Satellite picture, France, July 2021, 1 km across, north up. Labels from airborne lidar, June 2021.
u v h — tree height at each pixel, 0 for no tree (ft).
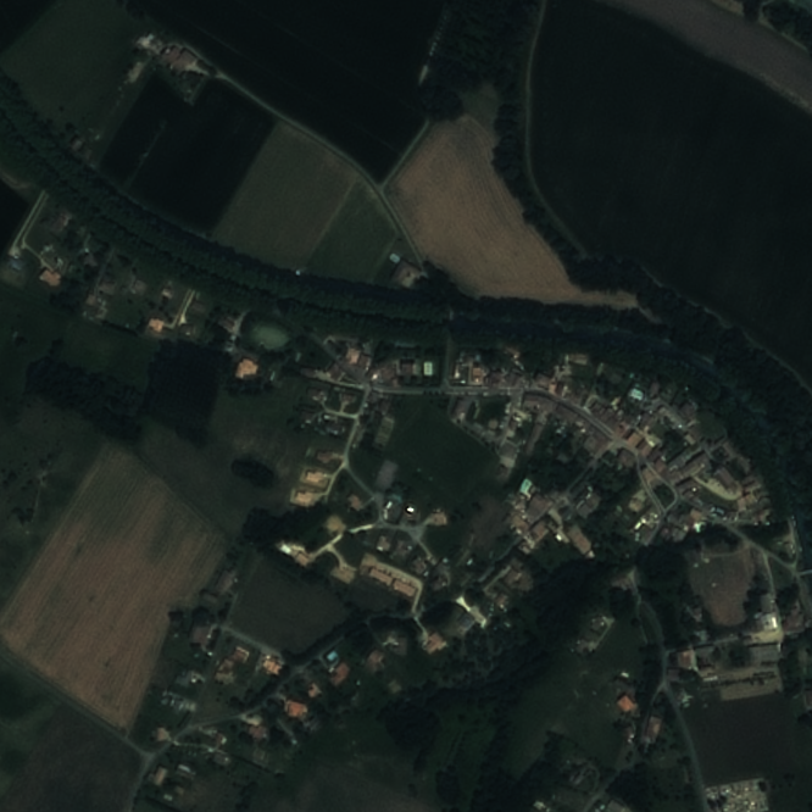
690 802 26
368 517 26
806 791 0
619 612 35
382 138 0
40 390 53
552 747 22
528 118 0
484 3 53
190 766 20
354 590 0
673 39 0
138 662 0
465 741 21
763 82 0
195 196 0
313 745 0
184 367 109
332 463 0
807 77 0
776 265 0
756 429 112
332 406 0
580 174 0
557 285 0
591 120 0
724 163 0
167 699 0
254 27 0
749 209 0
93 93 0
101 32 0
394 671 0
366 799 0
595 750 0
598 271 84
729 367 107
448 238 0
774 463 117
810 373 0
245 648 0
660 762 0
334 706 47
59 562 0
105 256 30
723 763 0
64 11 0
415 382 30
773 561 0
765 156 0
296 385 0
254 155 0
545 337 94
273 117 0
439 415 0
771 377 55
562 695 0
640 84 0
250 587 0
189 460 0
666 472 0
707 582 0
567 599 61
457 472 0
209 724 0
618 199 0
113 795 0
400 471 0
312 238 0
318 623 0
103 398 61
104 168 0
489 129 0
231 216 0
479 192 0
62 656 0
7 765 0
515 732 24
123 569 0
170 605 0
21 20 0
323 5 0
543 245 0
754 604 39
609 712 0
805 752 0
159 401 87
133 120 0
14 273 0
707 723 0
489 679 28
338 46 0
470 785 0
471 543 0
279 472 0
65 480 0
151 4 0
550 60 0
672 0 0
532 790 51
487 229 0
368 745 0
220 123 0
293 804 0
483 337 113
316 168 0
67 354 0
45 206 0
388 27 0
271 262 0
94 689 0
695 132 0
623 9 0
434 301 114
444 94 94
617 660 0
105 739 0
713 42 0
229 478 0
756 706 0
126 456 0
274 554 35
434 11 0
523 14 108
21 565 0
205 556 0
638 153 0
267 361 33
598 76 0
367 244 0
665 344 0
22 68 0
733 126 0
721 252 0
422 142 0
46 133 110
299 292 94
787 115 0
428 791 0
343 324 111
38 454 0
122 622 0
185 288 0
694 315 73
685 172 0
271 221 0
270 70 0
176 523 0
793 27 45
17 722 0
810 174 0
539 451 23
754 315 0
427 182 0
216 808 0
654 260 0
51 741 0
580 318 62
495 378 0
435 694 35
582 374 0
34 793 0
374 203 0
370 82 0
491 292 0
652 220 0
